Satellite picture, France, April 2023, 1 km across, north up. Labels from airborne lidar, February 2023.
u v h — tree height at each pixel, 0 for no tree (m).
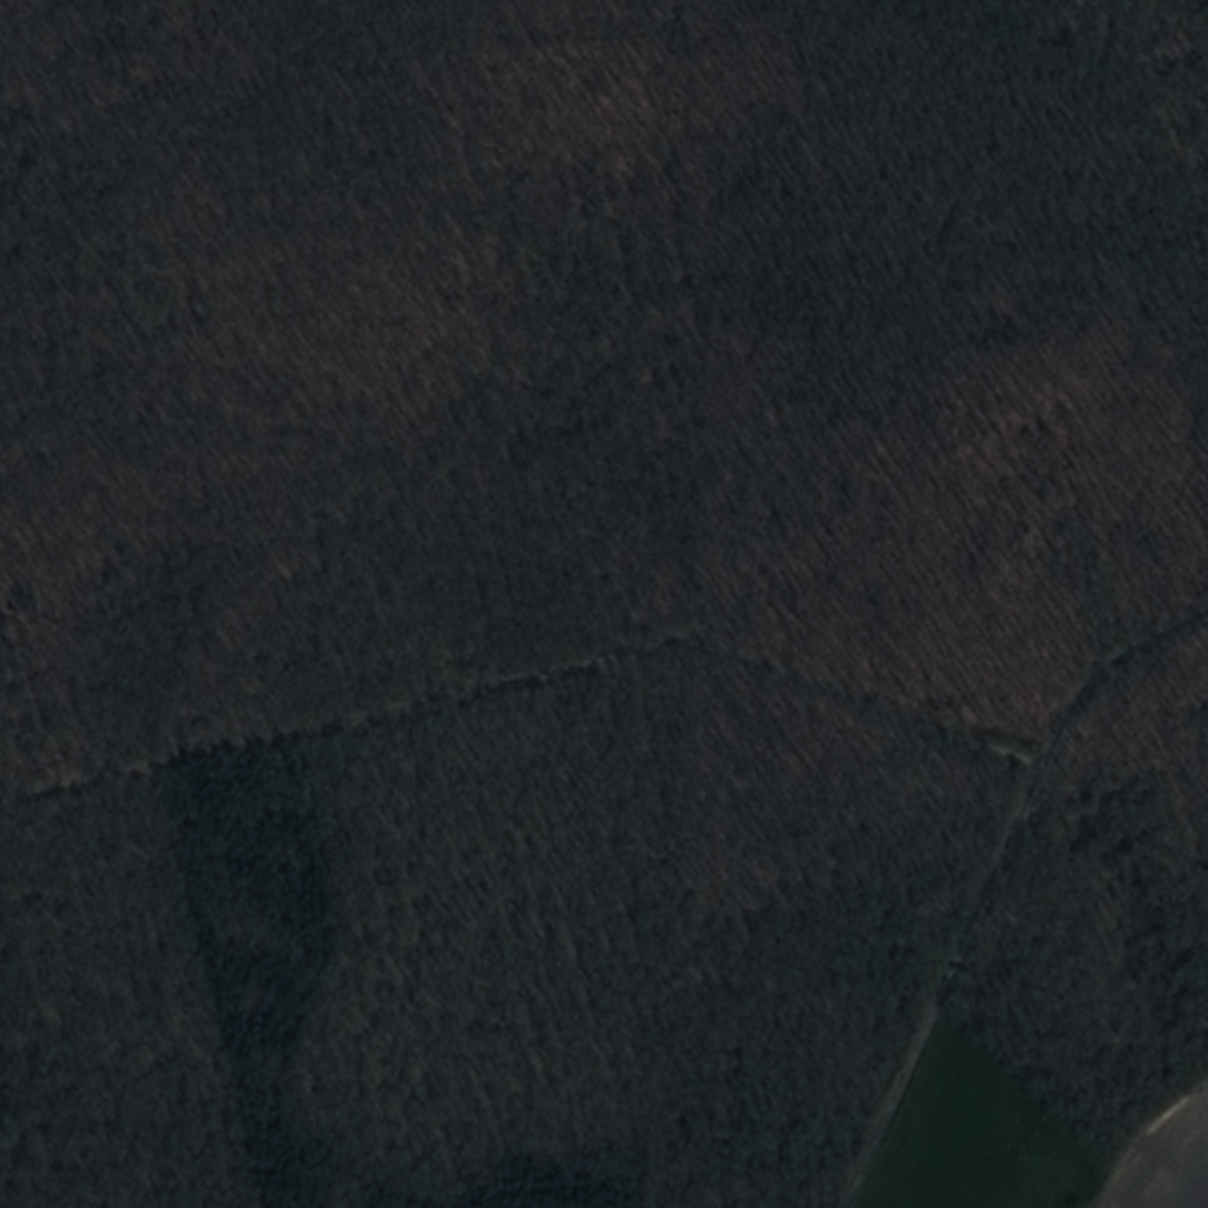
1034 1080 14
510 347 23
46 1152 24
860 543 27
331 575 25
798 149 32
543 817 25
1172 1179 0
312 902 23
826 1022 27
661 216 20
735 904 31
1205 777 22
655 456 19
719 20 27
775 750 31
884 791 32
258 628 22
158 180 21
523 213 25
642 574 21
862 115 35
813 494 29
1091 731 23
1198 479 28
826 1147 13
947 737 15
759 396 32
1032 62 35
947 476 28
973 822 31
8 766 18
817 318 29
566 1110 27
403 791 31
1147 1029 19
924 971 23
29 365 27
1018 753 0
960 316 30
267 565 24
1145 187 34
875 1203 0
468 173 26
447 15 25
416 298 26
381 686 16
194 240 21
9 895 22
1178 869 26
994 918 28
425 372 21
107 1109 22
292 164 23
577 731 27
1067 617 27
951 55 35
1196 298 32
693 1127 29
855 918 26
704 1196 28
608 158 24
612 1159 18
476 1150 26
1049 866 19
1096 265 36
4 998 20
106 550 20
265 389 24
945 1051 0
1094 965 23
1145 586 24
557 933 30
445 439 19
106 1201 27
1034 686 23
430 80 24
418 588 24
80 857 23
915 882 30
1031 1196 0
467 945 31
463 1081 29
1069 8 28
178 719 22
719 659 27
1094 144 33
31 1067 19
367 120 16
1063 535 22
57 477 22
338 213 17
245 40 24
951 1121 0
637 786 21
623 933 27
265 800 19
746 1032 30
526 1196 21
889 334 33
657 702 18
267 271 26
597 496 25
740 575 33
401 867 23
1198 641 22
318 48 20
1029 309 33
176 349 26
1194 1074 18
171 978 19
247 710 24
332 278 23
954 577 25
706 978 31
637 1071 30
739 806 31
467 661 23
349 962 21
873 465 31
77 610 24
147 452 25
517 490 19
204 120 20
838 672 27
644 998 28
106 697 19
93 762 20
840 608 20
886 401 30
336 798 26
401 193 28
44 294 25
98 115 24
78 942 21
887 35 32
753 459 31
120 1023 27
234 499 25
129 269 25
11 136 22
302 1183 23
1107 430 27
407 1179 20
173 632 18
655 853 21
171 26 22
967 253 34
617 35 24
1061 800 21
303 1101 26
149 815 19
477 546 20
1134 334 34
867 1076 27
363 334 24
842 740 31
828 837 33
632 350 23
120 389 21
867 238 36
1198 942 20
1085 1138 17
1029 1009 21
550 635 18
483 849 27
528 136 23
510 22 23
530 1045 28
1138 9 28
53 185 23
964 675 29
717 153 28
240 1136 17
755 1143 30
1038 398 30
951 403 30
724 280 29
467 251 27
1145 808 20
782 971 30
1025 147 34
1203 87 26
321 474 24
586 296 23
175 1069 25
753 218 32
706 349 25
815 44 32
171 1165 27
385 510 18
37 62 22
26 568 23
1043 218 30
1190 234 32
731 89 23
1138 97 25
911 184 35
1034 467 13
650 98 25
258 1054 17
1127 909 21
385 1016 28
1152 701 28
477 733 24
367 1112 28
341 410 21
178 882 24
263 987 19
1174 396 33
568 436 11
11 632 20
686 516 22
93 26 25
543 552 20
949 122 34
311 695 21
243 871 23
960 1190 0
